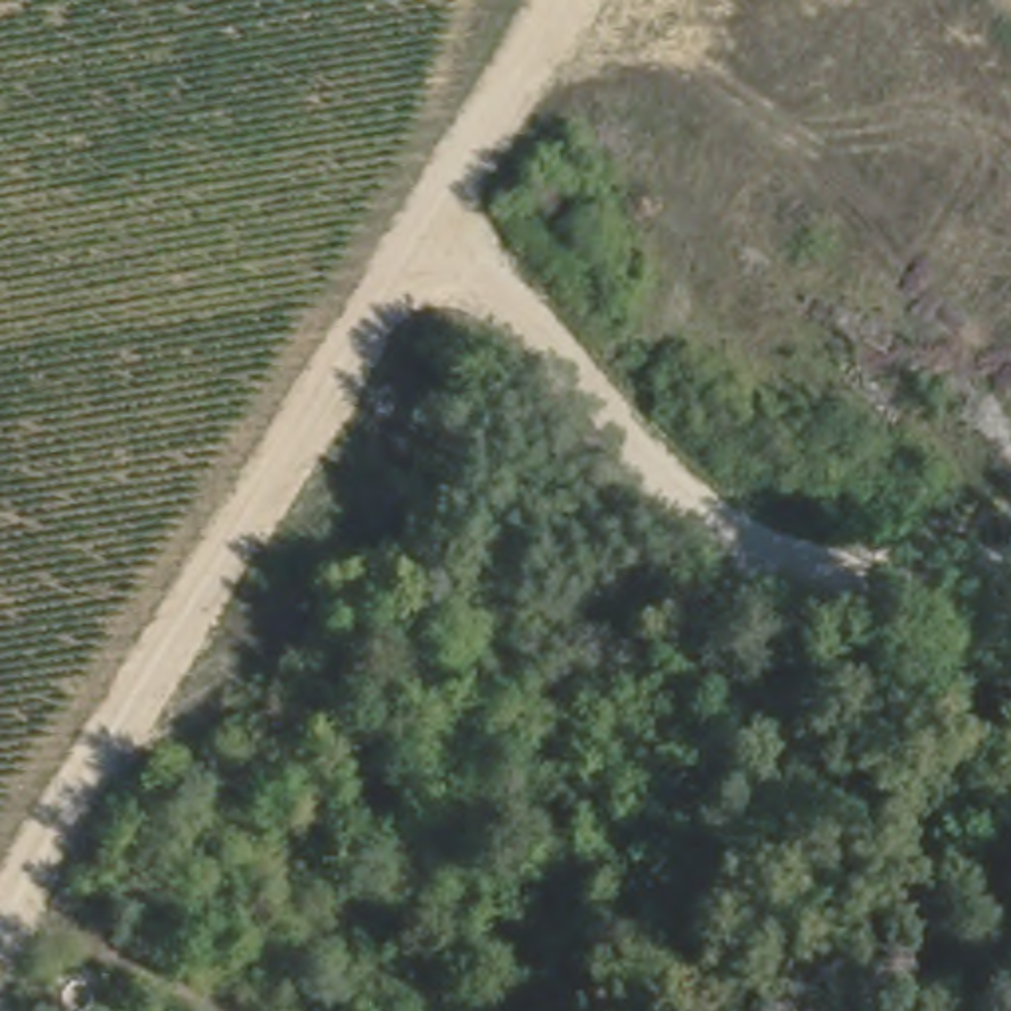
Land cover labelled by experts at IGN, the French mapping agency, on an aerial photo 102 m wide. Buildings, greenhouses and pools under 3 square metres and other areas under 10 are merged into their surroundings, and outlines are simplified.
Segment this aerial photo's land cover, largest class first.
<instances>
[{"label":"coniferous trees","instance_id":"1","mask_svg":"<svg viewBox=\"0 0 1011 1011\"><path fill-rule=\"evenodd\" d=\"M363 371H348L340 383L351 399L348 427L336 434L332 450L320 458V470L296 494L280 529L272 537H245L233 545V553L241 557V577L233 581V592L205 648L178 679L170 703L174 715L158 719V735L150 742L134 746L130 739H122L95 766L99 782L83 790L79 817L59 837V861L43 865L36 877V885L43 889V912L32 924V932L16 944L12 960L0 968V1011H660L652 1007V991L640 975H628L624 995L596 999L592 948L604 940V928L588 893L596 873L584 865V853L549 857L541 865V877L521 881L517 889L521 916L490 924L494 940L513 952V987L486 1007L462 999V979L438 960L434 932L419 916L427 889H434L442 869L474 865L490 853L494 825H502L506 810L494 798H430L419 774L391 782V735L363 731L351 742L359 798H320L312 825L288 833L284 849L261 833L257 794L272 778H284L292 770L300 739L312 731L316 715L344 707L355 695L351 679L371 652L379 596L399 584L403 561H415L423 569L427 596L446 608V616L430 624V636L442 652V663L450 667V679L474 683L466 707L494 715L502 707L506 687L525 671L545 683V699L553 703L557 727L537 746V758L545 762H561L573 739L588 731L600 699L616 691L620 679H632V656L620 652V644L600 624H588L577 612L581 600L596 584H612L632 565L656 561L671 569L679 581H699L715 573L723 600L739 596L746 604V624L735 636V648L719 656V675L727 679L731 699L754 723L739 739L735 770L727 782H719L699 762L683 766L660 754L648 739V762L640 770L648 774V790L636 798V814H628L608 837L620 865V889L612 896L616 912L636 924L644 940L691 964L695 956H703L707 924L719 912L715 877L723 873L727 853H758L770 841L798 845L817 821H825L821 814L829 810L837 790L865 798L869 806L889 802V794L877 786V774L829 770V742L821 731H814V715L825 711L829 695L841 691V683L825 679L821 660L814 656V596H806L794 581L739 573L727 557V541L719 545L695 513L644 494L640 474L624 462V434L616 427L592 423L596 399L577 387V367L569 359L529 351L513 332L494 328L486 320H466L446 308H379V316L363 320L351 336ZM237 908H245L257 920L265 936L261 956L249 960L213 995L205 987L178 983L174 975L190 936L213 916H221V928H237ZM972 814L991 817V837H983L975 865L983 869L987 893L1003 908L999 928L983 940H964L948 928H932L924 936L916 968L900 975L861 964L849 948H829L790 968L778 964L786 979L802 983L794 1003L798 1011H1011V790L999 794L983 786L964 794Z\"/></svg>","mask_w":1011,"mask_h":1011},{"label":"vineyard","instance_id":"2","mask_svg":"<svg viewBox=\"0 0 1011 1011\"><path fill-rule=\"evenodd\" d=\"M525 0H0V869L24 825L32 821L36 806L43 802V790L79 746L87 719L107 703L126 656L158 620V608L178 584L194 549L201 545L209 521L237 490L245 466L257 458L296 379L308 371L332 324L344 316L379 241L407 209V197L415 194L423 170L458 122L470 95L478 91L486 67L498 59Z\"/></svg>","mask_w":1011,"mask_h":1011},{"label":"deciduous trees","instance_id":"3","mask_svg":"<svg viewBox=\"0 0 1011 1011\"><path fill-rule=\"evenodd\" d=\"M814 656L821 660L825 679L841 683V691L829 695L825 711L814 715V731H821L829 742V770L877 774V786L889 794V802L869 806L865 798L837 790L829 810L821 814L825 821H817L798 845L770 841L758 853H727L723 873L715 877L719 912L707 924L703 956H695L691 964L644 940L636 924L616 912L612 896L620 889V865L608 837L628 814H636V798L648 790V774L640 770L648 762V739L660 754L683 766L699 762L719 782H727L735 770L739 739L754 723L731 699L727 679L719 675V656L735 648V636L746 624V604L739 596L723 600L715 573L699 581H679L671 569L656 561L632 565L612 584H596L581 600L577 612L588 624H600L620 644V652L632 656V679H620L616 691L600 699L588 731L573 739L561 762H545L537 758V746L557 727L553 703L545 699V683L525 671L506 687L502 707L494 715L466 707L474 683L450 679V667L442 663V652L430 636V624L446 616V608L427 596L423 569L415 561H403L399 584L379 596L371 652L351 679L355 695L344 707L316 715L312 731L300 739L292 770L284 778H272L257 794L261 833L284 849L288 833L312 825L320 798H359L351 742L363 731L391 735V782L419 774L430 798H494L506 810L502 825H494L490 853L474 865L442 869L434 889H427L419 916L434 932L438 960L462 979V999L486 1007L513 987V952L494 940L490 924L521 916L517 889L521 881L541 877V865L549 857L584 853V865L596 873L588 893L604 928V940L592 948L596 999L624 995L628 975H640L652 991V1007L660 1011H798L794 1003L802 983L786 979L778 964L790 968L829 948H849L861 964L900 975L916 968L924 936L932 928H948L964 940H983L999 928L1003 908L987 893L983 869L975 865L983 837H991V817L972 814L964 794L983 786L999 794L1011 790V545L972 549L968 541H948L932 557H912L889 553L885 565L857 569L849 577V592L814 596ZM265 936L257 920L245 908H237V928H221V916H213L190 936L174 975L178 983L205 987L213 995L249 960L261 956Z\"/></svg>","mask_w":1011,"mask_h":1011},{"label":"herbaceous vegetation","instance_id":"4","mask_svg":"<svg viewBox=\"0 0 1011 1011\"><path fill-rule=\"evenodd\" d=\"M896 32L885 36V28L869 24L853 0H600L588 28L577 36L573 55L557 63L553 87L541 95L525 126L506 146L486 150L478 158V170L454 186V197L482 213L494 209L502 194L521 186L541 146L588 122L596 142L624 166V213L632 221V233L660 257V284L644 308L640 328L648 344L679 336L695 348L711 344L715 351H739L750 359L758 383H806L814 395H821V387L833 383L841 403L861 399L885 419V427L896 423L900 407L893 403V391L904 367H912L916 375H940L944 387H956V395H964L968 403L964 423H975L987 438H995L1003 458L995 466H983V474L972 486L948 490V502L932 506L920 517V525L912 529V557H932L948 541H968L972 549L1011 545V0H904L893 16ZM723 517L750 513L754 521L802 541L869 549L881 529L877 509L849 494L821 498L746 490L731 494L719 506Z\"/></svg>","mask_w":1011,"mask_h":1011},{"label":"pervious surface","instance_id":"5","mask_svg":"<svg viewBox=\"0 0 1011 1011\"><path fill-rule=\"evenodd\" d=\"M600 0H525L498 59L486 67L478 91L470 95L458 122L423 170L415 194L407 197V209L379 241L344 316L332 324L308 371L296 379L257 458L245 466L237 490L209 521L201 545L194 549L178 584L158 608V620L126 656L107 703L87 719L79 746L43 790V802L36 806L32 821L24 825L0 869V968L12 960L16 944L32 932V924L43 912V889L36 885V877L43 865L59 861V837L79 817L83 790L99 782L95 766L122 739H130L134 746L150 742L158 735V719L174 715L170 703L178 679L205 648L233 592V581L241 577V557L233 553V545L245 537H272L280 529L296 494L320 470V458L332 450L336 434L348 427L351 399L340 383L348 371H363L351 336L363 320L379 316V308H446L466 320H486L494 328L513 332L529 351L569 359L577 367V387L596 399L592 423L616 427L624 434V462L640 474L644 494L695 513L719 545L727 541V557L739 573L794 581L806 596H814L849 592V577L857 569L885 565L889 553L869 549L802 541L754 521L750 513L723 517L719 506L715 490L699 482L644 427L632 399L569 336V328L545 304V296L521 280V272L502 253L482 213L454 197V186L478 170V158L486 150L506 146L525 126L541 95L553 87L557 63L573 55L577 36L588 28Z\"/></svg>","mask_w":1011,"mask_h":1011},{"label":"brushwood","instance_id":"6","mask_svg":"<svg viewBox=\"0 0 1011 1011\"><path fill-rule=\"evenodd\" d=\"M502 253L521 272V280L545 296V304L569 328V336L632 399L644 427L699 482L715 490L719 506L731 494L746 490L821 498L849 494L877 509L881 529L869 549L889 553L912 557V529L920 525V517L932 506L948 502V490L972 486L983 474V466H995L1003 458L995 438H987L975 423H964L968 403L964 395H956V387H944L940 375H916L912 367H904L893 391V403L900 407L896 423L885 427V419L861 399L841 403L833 383L821 387V395H814L806 383H758L750 359L739 351H715L711 344L695 348L679 336L648 344L640 328L644 308L660 284V257L632 233V221L624 213V166L596 142L588 122L541 146L521 186L502 194L494 209L482 213Z\"/></svg>","mask_w":1011,"mask_h":1011},{"label":"agricultural land","instance_id":"7","mask_svg":"<svg viewBox=\"0 0 1011 1011\"><path fill-rule=\"evenodd\" d=\"M869 24L885 28V36L896 32L893 16L904 0H853Z\"/></svg>","mask_w":1011,"mask_h":1011}]
</instances>
